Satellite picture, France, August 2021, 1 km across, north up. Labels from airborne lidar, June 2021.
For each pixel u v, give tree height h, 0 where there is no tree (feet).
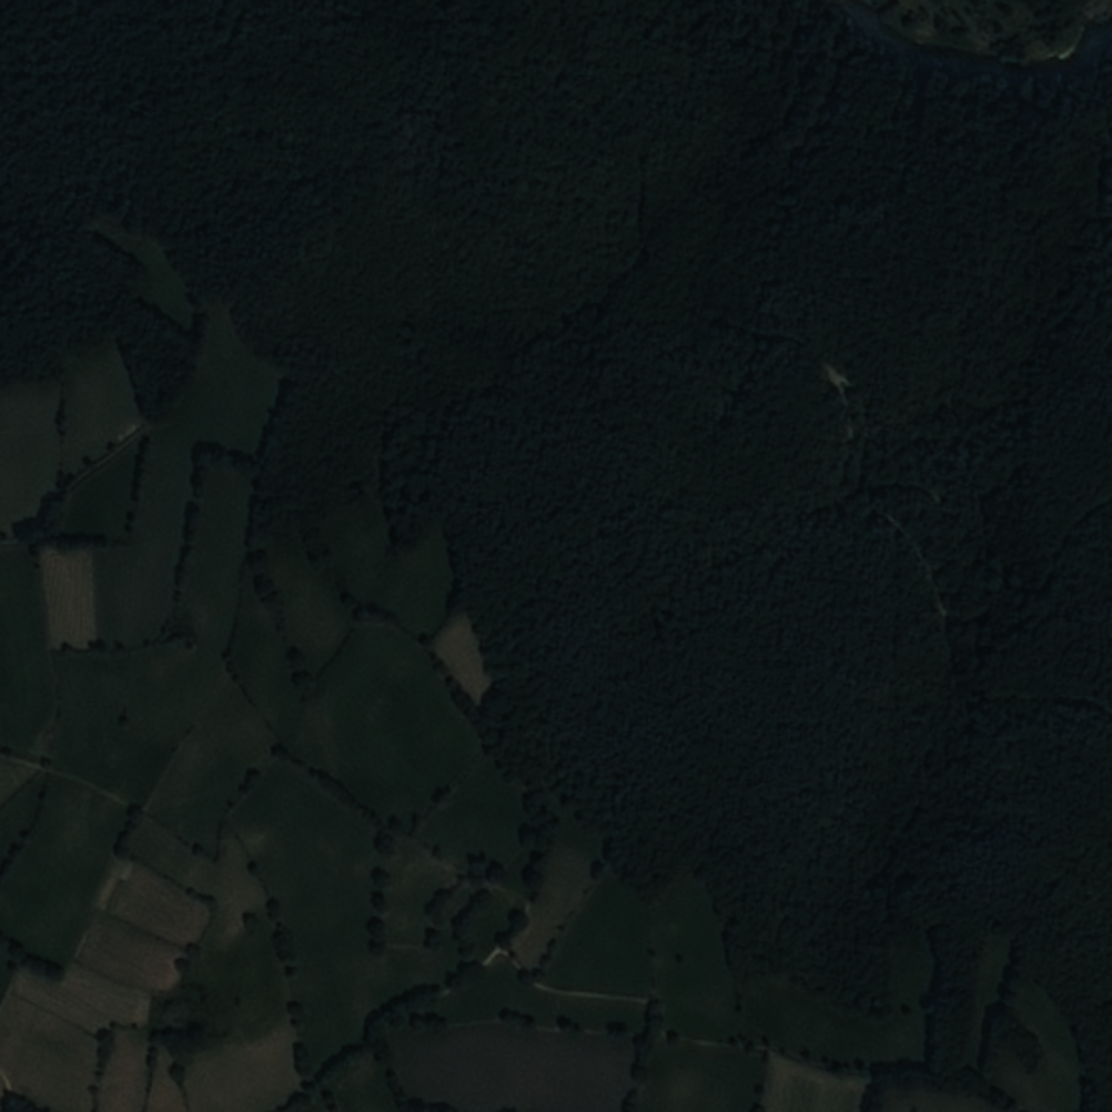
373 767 0
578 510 67
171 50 77
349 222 72
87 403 0
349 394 65
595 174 66
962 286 60
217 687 0
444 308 82
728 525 78
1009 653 76
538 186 73
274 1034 0
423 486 66
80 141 57
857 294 55
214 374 0
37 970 46
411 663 0
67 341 65
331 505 72
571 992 0
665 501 54
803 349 56
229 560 0
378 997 0
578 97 58
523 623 74
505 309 65
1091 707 50
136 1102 0
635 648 80
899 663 50
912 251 58
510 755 50
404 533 56
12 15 77
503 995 0
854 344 53
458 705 38
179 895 0
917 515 60
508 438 66
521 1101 0
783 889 39
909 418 53
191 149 74
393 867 0
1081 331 76
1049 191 54
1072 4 52
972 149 46
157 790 0
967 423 70
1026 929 59
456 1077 0
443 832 0
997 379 69
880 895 85
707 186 64
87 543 40
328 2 54
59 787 0
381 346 67
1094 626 73
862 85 62
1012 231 68
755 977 55
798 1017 0
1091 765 65
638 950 0
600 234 64
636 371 64
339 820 0
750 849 67
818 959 72
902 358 49
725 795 69
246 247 61
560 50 68
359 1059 50
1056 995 51
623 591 81
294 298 73
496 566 68
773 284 62
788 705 64
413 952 0
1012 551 88
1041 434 67
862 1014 51
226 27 86
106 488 0
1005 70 0
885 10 41
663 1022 42
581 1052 0
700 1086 0
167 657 0
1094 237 57
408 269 79
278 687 0
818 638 67
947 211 71
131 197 44
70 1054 0
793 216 70
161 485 0
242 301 61
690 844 58
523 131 64
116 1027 21
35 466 0
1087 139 57
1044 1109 0
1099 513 36
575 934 0
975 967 61
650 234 72
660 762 67
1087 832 73
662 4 76
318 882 0
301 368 63
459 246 66
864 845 76
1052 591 65
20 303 86
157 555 0
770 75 83
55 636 0
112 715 0
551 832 54
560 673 71
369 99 58
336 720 0
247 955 0
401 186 48
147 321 72
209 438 0
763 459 63
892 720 44
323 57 67
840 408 54
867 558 66
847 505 76
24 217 58
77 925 0
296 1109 38
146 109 52
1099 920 68
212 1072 0
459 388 69
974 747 81
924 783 93
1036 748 55
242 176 73
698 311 55
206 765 0
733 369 65
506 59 77
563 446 81
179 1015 0
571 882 0
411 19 56
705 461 82
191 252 67
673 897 0
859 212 87
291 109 65
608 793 57
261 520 54
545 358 72
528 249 65
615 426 53
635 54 82
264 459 41
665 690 62
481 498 65
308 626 0
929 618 58
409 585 0
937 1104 0
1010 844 76
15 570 0
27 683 0
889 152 87
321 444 78
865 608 65
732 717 65
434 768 0
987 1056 42
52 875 0
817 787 64
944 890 80
